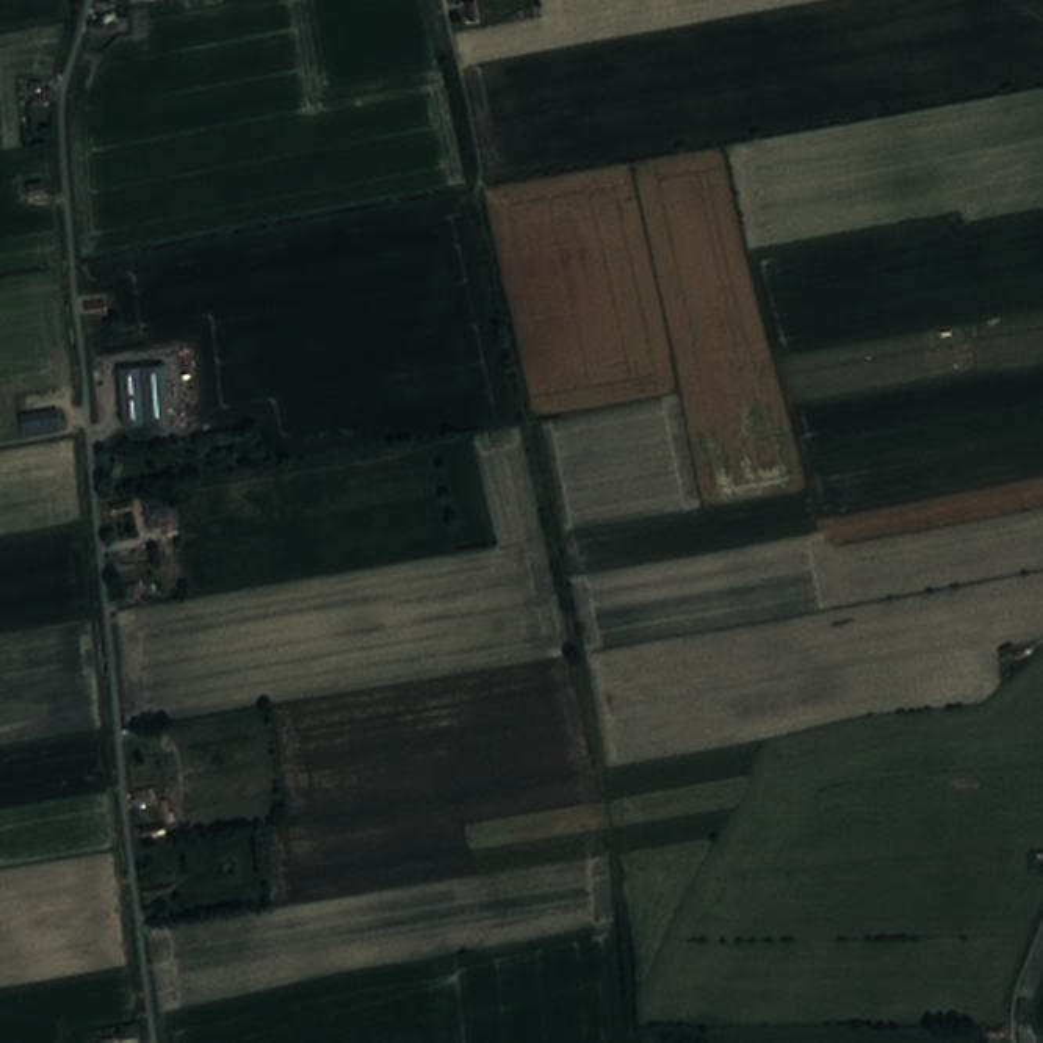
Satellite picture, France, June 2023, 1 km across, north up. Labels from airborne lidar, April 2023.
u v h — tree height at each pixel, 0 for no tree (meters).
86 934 0
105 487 12
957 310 0
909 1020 0
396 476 0
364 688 0
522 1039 0
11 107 0
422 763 0
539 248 0
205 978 0
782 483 0
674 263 0
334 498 0
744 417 0
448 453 0
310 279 0
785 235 0
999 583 0
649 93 0
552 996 0
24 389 0
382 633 0
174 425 0
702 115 0
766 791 0
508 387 0
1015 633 0
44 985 0
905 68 0
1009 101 0
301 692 0
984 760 0
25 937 0
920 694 0
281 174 0
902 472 0
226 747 0
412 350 0
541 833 0
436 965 0
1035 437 0
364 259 0
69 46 0
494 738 0
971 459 0
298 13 0
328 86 0
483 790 0
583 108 0
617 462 0
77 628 0
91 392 0
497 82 0
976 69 0
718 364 0
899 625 0
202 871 0
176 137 0
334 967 0
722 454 0
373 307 0
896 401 0
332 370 0
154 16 0
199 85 0
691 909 0
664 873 0
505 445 0
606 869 0
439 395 0
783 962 0
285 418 0
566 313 0
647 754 0
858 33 0
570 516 0
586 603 0
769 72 0
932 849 0
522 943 0
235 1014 0
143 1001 0
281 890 0
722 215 0
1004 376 0
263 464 15
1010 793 0
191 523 0
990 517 0
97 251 0
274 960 0
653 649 0
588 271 0
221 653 0
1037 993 0
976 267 0
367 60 0
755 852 0
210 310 0
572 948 0
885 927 0
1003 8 0
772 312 0
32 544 0
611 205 0
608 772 0
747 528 0
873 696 0
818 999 0
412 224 0
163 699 0
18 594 0
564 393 0
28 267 0
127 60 0
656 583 0
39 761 0
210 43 0
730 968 0
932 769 0
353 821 0
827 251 0
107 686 0
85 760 0
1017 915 0
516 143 0
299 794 0
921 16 0
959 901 0
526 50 0
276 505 0
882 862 0
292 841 0
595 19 0
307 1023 0
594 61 0
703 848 0
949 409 0
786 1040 0
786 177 0
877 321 0
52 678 0
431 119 0
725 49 0
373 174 0
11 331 0
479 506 0
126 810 0
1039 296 0
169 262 0
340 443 0
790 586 0
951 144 0
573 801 0
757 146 0
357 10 0
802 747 0
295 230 0
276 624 0
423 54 0
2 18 0
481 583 0
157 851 0
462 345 0
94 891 0
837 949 0
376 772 0
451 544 0
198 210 0
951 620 0
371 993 0
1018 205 0
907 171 0
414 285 0
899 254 0
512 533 0
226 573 0
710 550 0
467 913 0
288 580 0
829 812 0
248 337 0
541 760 0
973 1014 0
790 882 0
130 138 0
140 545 0
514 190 0
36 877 0
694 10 0
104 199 0
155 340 0
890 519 0
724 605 0
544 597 0
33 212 0
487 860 0
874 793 0
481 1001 0
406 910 0
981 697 0
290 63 0
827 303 0
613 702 0
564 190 0
